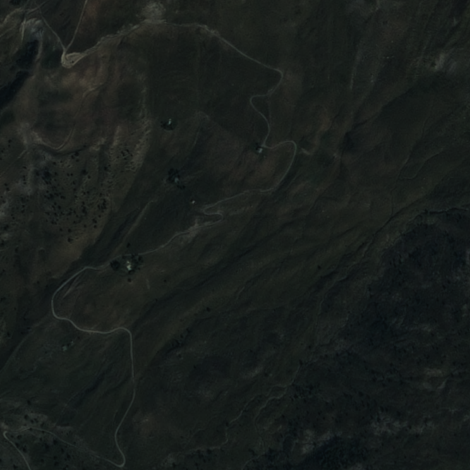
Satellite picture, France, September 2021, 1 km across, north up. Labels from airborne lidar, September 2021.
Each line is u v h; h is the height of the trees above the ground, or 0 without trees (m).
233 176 0
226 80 0
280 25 0
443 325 0
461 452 0
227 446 0
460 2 0
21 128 0
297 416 0
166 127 7
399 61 0
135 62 0
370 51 0
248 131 0
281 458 0
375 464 0
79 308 0
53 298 0
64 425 0
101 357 0
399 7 0
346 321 0
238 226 0
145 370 0
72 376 0
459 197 0
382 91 0
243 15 0
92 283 0
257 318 0
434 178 0
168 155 0
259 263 0
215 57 0
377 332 0
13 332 0
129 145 0
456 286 0
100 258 0
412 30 0
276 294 0
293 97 0
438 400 0
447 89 0
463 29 0
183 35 0
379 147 0
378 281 0
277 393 0
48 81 0
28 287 0
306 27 0
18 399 0
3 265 0
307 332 0
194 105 0
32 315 0
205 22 0
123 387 0
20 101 0
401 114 0
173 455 0
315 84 0
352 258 0
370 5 0
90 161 0
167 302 0
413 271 0
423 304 0
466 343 0
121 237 0
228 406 0
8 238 0
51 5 0
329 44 0
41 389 0
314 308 0
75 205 0
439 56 0
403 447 0
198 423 0
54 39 0
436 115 0
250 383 0
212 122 0
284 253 0
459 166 0
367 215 0
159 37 0
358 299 0
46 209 0
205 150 0
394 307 0
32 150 0
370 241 0
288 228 0
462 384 0
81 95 0
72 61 0
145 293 0
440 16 0
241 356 0
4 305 0
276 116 0
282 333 0
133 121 0
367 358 0
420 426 0
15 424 0
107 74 0
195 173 0
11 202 0
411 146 0
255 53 0
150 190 0
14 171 0
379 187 0
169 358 0
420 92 0
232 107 0
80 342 0
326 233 0
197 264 0
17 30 0
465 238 0
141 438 0
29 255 0
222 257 0
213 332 0
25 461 0
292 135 0
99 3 0
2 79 0
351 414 0
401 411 0
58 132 0
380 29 0
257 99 0
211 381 0
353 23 0
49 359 0
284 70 0
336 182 0
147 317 0
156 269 0
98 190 0
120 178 0
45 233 0
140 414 0
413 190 0
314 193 0
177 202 0
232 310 0
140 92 0
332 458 6
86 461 0
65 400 0
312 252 0
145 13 0
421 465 0
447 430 0
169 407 0
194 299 0
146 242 0
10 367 0
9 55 0
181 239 0
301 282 0
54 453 0
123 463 0
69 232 8
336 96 0
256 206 0
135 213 0
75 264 0
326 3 0
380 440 0
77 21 0
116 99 0
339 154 0
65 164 0
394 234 0
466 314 0
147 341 0
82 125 0
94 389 0
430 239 0
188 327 0
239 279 0
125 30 0
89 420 0
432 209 0
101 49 0
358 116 0
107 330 0
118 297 0
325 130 0
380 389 0
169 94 0
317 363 0
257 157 0
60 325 0
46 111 0
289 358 0
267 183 0
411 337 0
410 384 0
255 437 0
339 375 0
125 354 0
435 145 0
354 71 0
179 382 0
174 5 0
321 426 0
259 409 0
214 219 0
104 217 0
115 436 0
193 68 0
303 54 0
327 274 0
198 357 0
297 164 0
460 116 0
